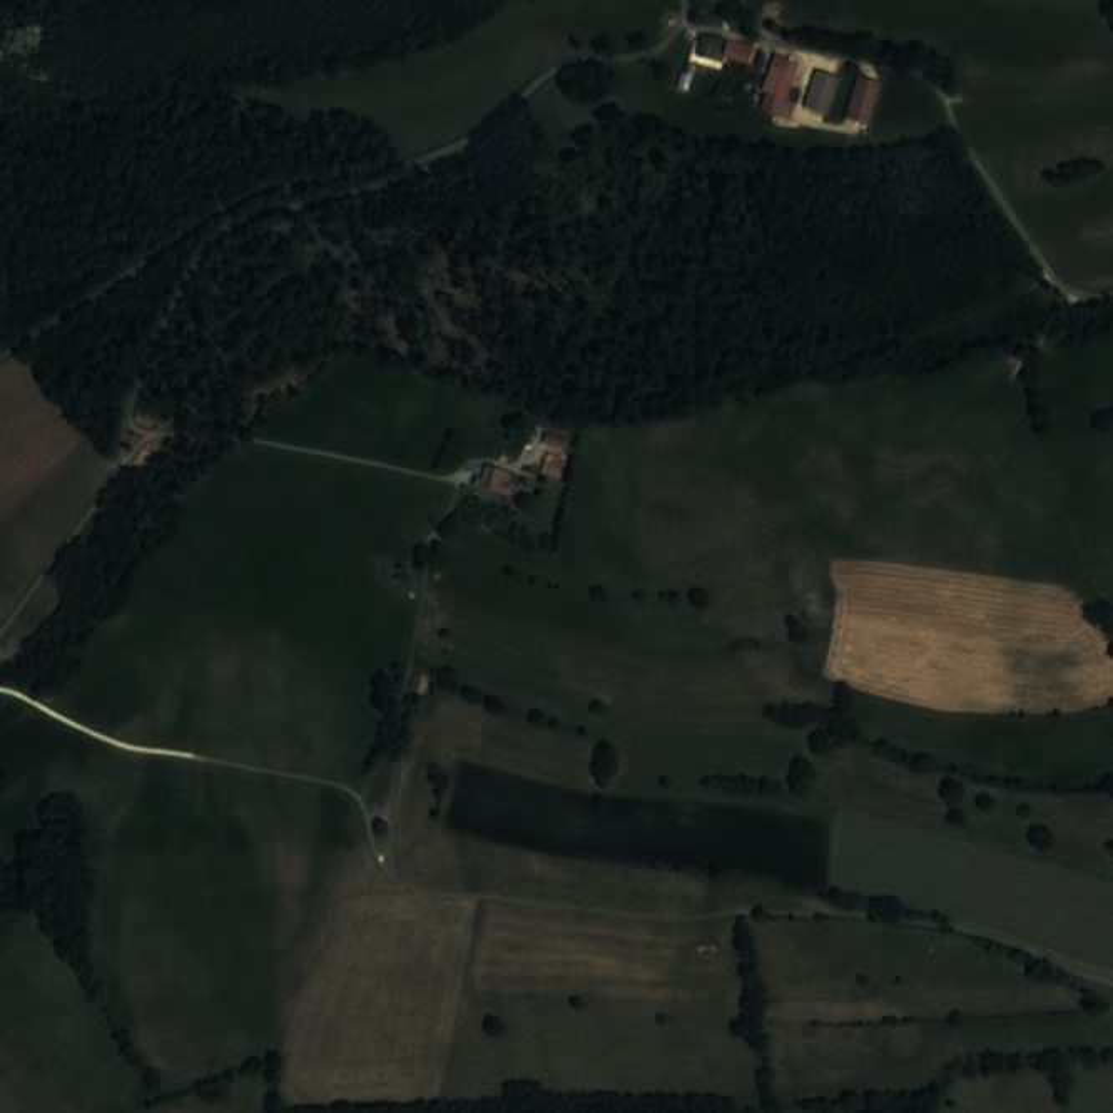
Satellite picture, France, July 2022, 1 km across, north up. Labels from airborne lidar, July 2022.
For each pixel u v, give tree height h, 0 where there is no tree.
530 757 0
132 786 0
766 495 0
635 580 0
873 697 0
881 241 14
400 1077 0
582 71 20
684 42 0
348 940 0
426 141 0
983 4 0
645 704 0
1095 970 0
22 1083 0
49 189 33
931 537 0
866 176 16
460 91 0
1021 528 0
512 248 17
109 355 13
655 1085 0
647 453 0
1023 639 0
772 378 22
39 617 0
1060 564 0
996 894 0
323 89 0
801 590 0
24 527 0
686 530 0
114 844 0
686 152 20
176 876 0
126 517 12
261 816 0
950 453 0
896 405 0
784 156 16
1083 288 0
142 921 0
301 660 0
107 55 9
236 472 0
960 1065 19
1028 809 14
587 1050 0
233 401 30
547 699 0
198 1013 0
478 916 0
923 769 16
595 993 0
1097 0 0
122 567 17
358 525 0
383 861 0
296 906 0
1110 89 0
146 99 24
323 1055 0
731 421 0
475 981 0
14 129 28
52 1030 0
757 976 16
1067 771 0
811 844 0
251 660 0
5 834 0
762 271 8
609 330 20
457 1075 0
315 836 0
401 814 0
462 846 0
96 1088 0
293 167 30
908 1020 8
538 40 0
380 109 0
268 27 9
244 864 0
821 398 0
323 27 11
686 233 25
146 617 0
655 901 0
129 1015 0
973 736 0
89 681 0
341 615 0
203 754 0
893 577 0
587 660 0
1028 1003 0
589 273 14
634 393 27
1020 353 22
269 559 0
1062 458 0
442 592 0
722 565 0
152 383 19
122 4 24
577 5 0
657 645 0
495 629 0
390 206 17
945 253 11
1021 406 0
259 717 0
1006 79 0
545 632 0
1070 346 22
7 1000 0
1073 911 0
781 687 0
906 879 0
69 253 21
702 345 25
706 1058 0
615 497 0
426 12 11
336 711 0
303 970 0
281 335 22
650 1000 0
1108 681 0
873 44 18
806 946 0
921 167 16
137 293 10
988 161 0
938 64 18
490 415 0
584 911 0
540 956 0
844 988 0
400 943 0
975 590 0
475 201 11
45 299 10
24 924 0
